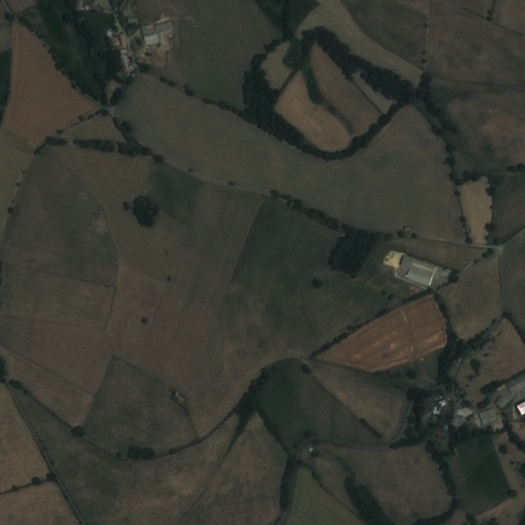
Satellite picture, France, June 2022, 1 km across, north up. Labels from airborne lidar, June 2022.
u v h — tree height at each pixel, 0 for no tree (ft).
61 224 0
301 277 0
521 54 0
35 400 0
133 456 43
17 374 0
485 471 0
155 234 0
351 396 0
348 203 0
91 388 0
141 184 0
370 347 0
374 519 31
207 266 0
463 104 0
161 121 0
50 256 0
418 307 0
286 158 0
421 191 0
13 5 0
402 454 0
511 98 0
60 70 42
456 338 50
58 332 0
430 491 0
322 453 0
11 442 0
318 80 0
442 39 0
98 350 0
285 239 0
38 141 0
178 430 0
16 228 0
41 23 0
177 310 0
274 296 0
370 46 0
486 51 0
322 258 0
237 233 0
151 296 0
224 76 0
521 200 0
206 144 0
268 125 62
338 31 0
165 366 0
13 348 0
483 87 0
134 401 0
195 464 0
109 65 64
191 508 0
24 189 0
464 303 0
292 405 0
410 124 0
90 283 0
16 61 0
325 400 0
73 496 0
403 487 0
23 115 0
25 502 0
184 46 0
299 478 0
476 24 0
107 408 0
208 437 0
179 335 0
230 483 0
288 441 0
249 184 0
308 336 0
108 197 0
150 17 0
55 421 0
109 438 0
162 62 0
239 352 0
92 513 0
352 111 0
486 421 0
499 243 38
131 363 0
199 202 0
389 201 0
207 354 0
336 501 0
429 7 0
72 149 0
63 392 0
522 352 0
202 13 0
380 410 0
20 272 0
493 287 0
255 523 0
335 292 0
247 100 59
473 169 0
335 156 46
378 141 0
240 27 0
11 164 0
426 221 0
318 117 0
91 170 0
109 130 0
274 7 0
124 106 0
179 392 0
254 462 0
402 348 0
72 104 0
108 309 0
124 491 0
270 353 0
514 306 0
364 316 0
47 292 0
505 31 0
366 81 59
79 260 0
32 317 0
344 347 0
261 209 0
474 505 0
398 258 0
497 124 0
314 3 0
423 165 0
